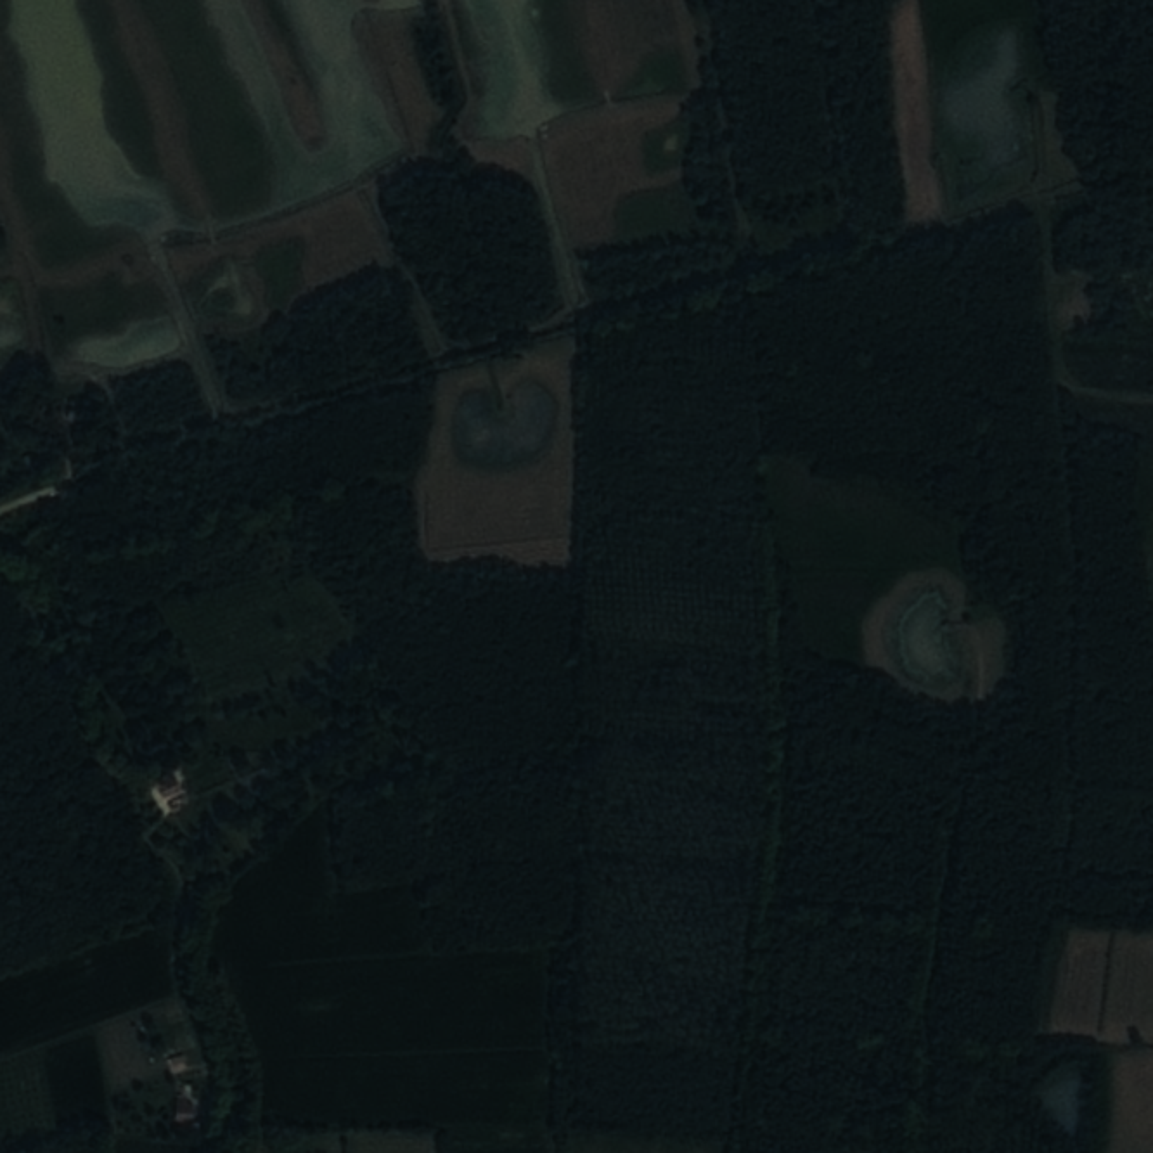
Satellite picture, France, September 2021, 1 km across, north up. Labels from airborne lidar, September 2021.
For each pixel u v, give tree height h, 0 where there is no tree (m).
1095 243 10
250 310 0
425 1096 0
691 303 21
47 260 0
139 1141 0
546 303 13
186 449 13
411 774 23
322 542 14
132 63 0
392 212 18
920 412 21
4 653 19
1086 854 13
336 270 0
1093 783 18
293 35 0
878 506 0
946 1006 17
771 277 19
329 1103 0
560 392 0
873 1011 20
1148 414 0
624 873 29
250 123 0
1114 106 24
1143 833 13
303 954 0
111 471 14
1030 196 0
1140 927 14
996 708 9
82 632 31
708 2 9
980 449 20
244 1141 28
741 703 10
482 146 0
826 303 21
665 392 11
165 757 20
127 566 13
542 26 0
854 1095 17
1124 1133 0
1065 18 21
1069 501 13
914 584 0
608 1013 31
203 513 21
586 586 21
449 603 14
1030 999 20
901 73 0
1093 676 15
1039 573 16
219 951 0
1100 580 19
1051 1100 0
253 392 8
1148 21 18
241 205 0
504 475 0
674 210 0
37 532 6
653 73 0
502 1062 0
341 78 0
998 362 23
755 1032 24
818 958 15
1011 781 20
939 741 16
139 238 0
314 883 0
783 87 21
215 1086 14
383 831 20
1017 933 20
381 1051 0
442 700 13
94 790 19
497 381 0
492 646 14
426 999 0
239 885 0
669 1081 13
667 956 30
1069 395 12
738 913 30
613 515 9
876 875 17
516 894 24
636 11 0
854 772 19
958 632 0
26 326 0
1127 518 18
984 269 20
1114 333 10
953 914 19
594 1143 0
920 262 19
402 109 0
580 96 0
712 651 20
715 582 16
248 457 14
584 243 0
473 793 24
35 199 0
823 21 19
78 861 22
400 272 11
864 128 19
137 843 15
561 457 0
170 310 0
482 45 0
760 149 21
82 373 0
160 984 0
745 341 22
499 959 0
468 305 16
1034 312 17
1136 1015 0
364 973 0
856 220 15
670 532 12
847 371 22
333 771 21
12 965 19
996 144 0
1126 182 15
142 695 18
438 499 0
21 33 0
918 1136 17
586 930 28
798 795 17
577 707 18
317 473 14
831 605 0
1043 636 16
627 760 29
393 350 16
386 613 11
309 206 0
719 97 11
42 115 0
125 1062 0
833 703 20
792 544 0
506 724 13
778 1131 19
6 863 21
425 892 17
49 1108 0
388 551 13
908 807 22
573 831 18
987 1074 16
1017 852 20
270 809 9
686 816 29
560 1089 12
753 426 9
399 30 0
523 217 21
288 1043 0
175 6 0
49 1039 0
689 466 11
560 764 14
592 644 23
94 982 0
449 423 0
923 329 19
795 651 12
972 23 0
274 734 0
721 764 26
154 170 0
